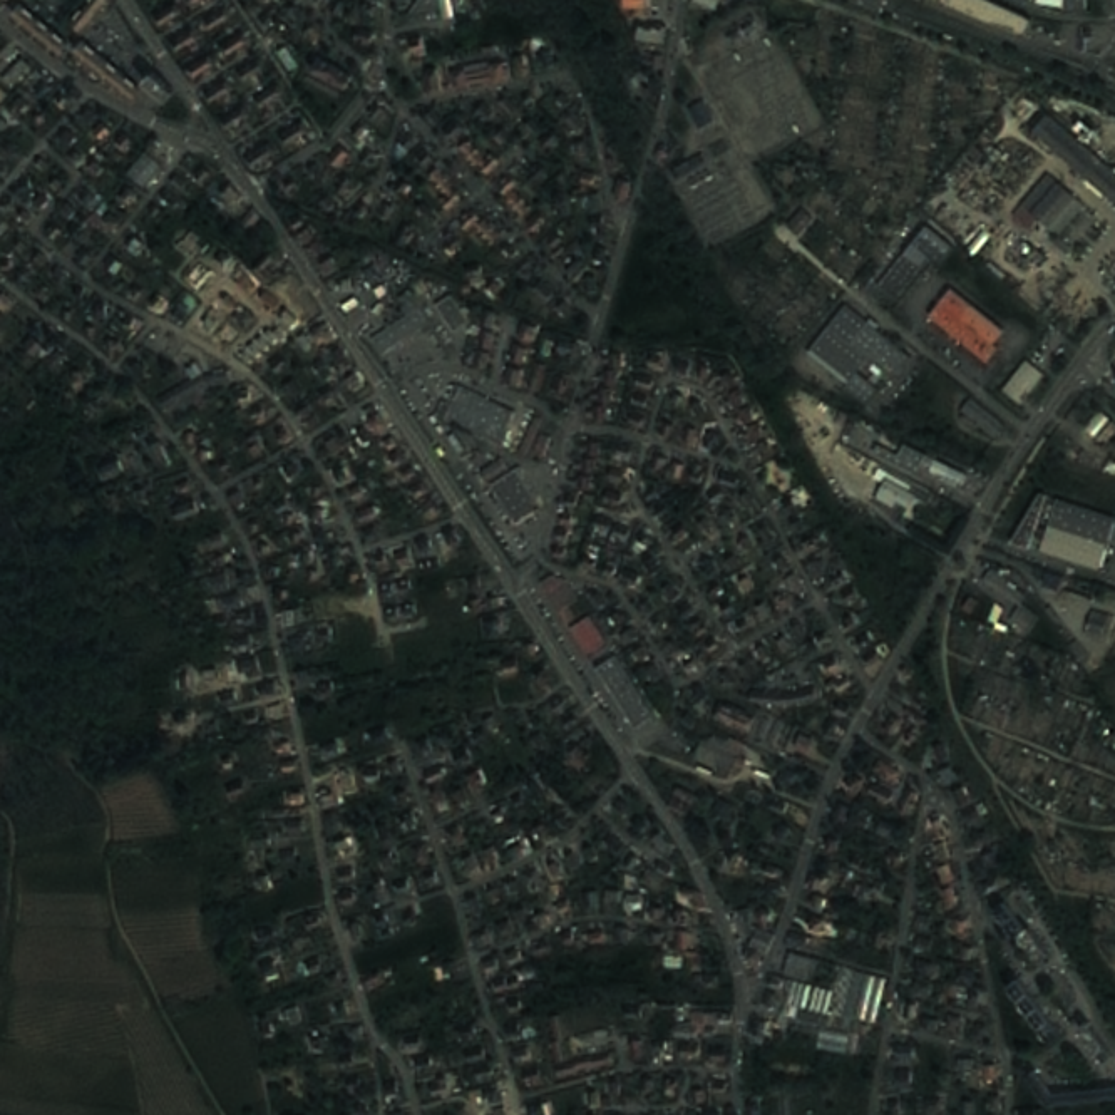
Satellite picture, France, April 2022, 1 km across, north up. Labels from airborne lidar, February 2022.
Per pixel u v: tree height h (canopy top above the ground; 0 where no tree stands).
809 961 0
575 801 9
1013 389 0
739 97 0
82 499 7
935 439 9
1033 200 0
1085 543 0
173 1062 0
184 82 0
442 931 0
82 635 21
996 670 0
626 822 0
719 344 0
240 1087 0
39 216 0
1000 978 0
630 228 0
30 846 0
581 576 0
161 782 12
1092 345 0
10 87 0
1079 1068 12
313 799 0
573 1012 0
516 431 0
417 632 0
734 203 0
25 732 19
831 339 0
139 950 0
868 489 0
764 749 0
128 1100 0
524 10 13
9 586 23
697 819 14
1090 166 0
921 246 0
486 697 0
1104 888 0
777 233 0
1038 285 0
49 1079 0
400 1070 0
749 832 8
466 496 0
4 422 10
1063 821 0
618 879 11
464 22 14
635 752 0
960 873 0
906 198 0
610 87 8
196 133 0
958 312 0
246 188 0
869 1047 0
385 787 13
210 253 0
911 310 0
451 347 0
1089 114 0
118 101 0
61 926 0
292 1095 0
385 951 0
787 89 0
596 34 12
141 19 0
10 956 0
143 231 0
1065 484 0
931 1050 0
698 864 0
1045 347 0
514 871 0
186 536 7
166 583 0
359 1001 0
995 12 0
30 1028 0
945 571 0
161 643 0
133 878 0
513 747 0
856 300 0
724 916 0
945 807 0
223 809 0
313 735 0
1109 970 0
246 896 6
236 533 0
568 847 0
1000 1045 0
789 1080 12
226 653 0
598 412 0
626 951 0
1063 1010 0
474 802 0
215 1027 0
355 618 0
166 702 0
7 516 19
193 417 7
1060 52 0
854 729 0
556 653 0
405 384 0
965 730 0
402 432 0
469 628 0
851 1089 0
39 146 0
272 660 0
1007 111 0
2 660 30
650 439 0
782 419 0
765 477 6
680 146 0
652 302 0
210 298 0
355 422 0
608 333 0
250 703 0
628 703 0
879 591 0
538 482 0
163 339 0
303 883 0
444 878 0
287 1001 6
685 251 6
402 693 6
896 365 0
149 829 0
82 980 0
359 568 6
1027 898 0
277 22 9
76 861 0
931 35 7
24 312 0
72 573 20
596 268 6
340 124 0
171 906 0
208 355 0
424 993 0
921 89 0
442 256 0
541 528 0
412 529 0
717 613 0
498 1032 0
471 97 0
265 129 0
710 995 0
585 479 0
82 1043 0
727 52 0
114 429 8
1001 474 0
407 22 0
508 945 0
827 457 0
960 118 0
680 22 0
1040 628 0
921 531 8
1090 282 0
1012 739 0
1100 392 9
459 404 0
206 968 0
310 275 0
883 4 0
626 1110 0
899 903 6
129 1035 0
